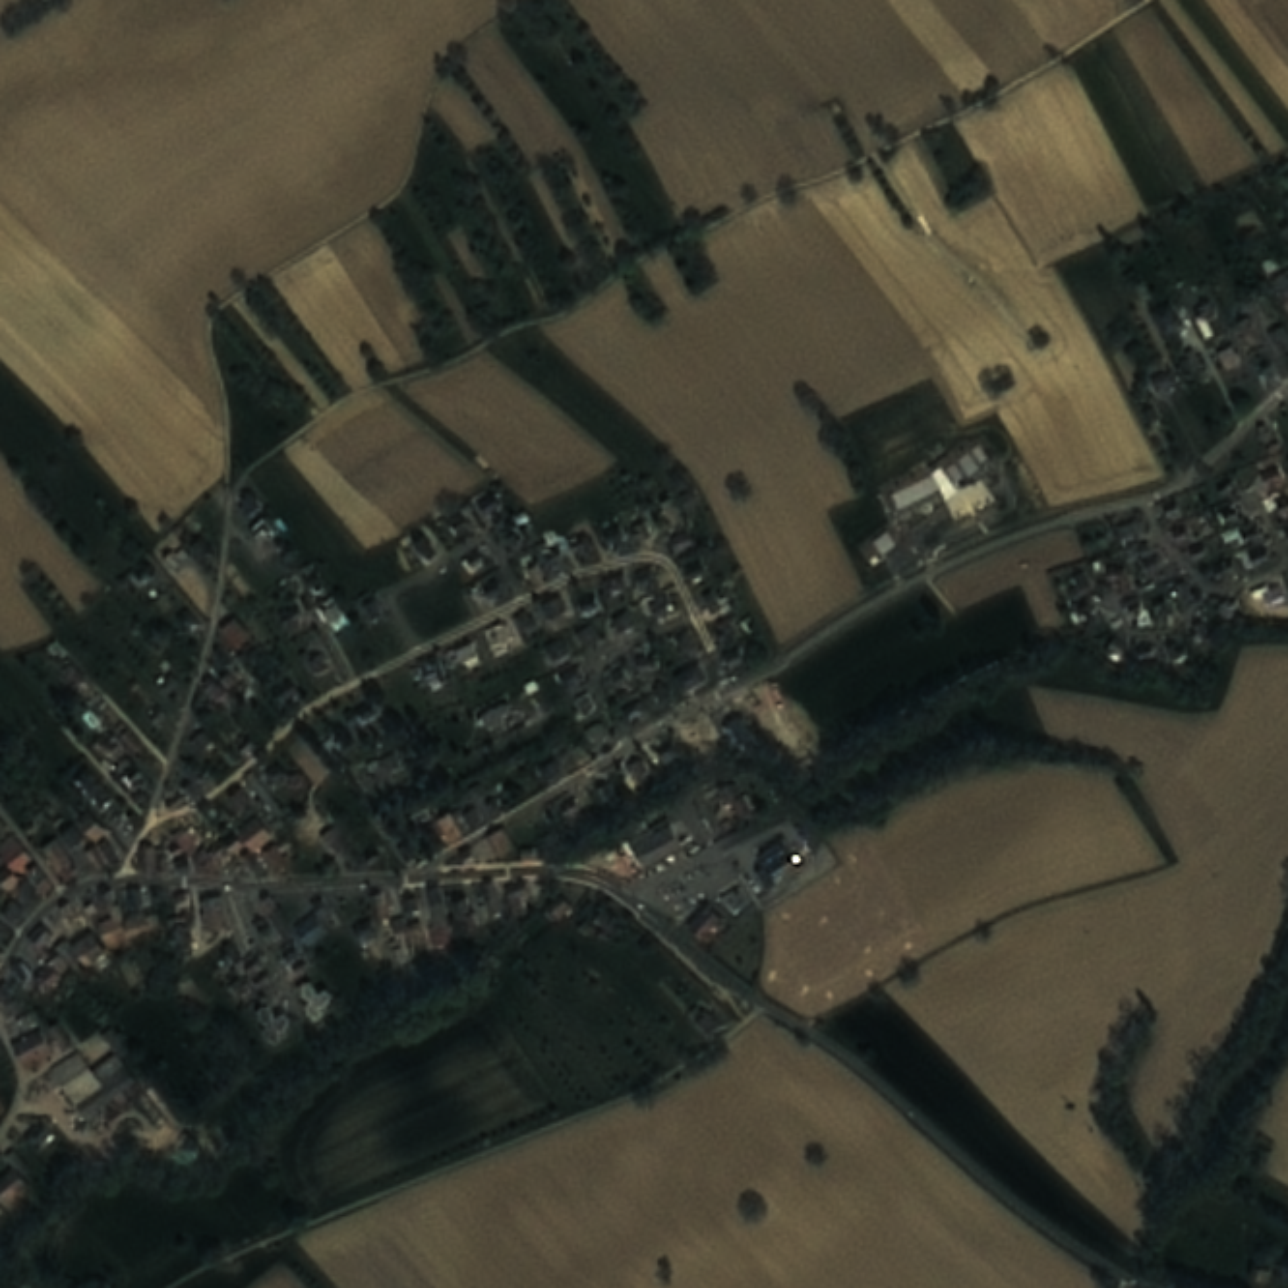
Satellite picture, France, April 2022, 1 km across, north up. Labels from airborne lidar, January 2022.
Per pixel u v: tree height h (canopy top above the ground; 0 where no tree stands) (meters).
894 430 0
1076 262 0
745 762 22
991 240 0
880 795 30
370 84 0
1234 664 0
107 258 0
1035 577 0
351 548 0
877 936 0
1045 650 22
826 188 0
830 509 0
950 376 0
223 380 0
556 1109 7
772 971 0
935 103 0
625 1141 0
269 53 0
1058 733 0
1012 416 0
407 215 0
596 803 0
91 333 0
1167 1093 0
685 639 0
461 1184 0
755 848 0
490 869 0
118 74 0
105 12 0
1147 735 0
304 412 0
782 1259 0
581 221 17
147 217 0
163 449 0
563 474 0
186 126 0
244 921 0
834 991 0
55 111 0
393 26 0
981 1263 0
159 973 8
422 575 0
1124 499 0
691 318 0
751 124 0
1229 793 0
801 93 0
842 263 0
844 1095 0
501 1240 0
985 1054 0
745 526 0
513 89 0
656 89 0
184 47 0
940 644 0
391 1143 0
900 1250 0
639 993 0
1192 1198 35
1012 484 0
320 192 0
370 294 0
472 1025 0
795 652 0
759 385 0
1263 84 0
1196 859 0
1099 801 0
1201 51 0
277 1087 33
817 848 0
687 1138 0
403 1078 0
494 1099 0
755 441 0
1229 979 0
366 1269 0
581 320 0
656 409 0
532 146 0
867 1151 0
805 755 0
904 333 0
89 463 0
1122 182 0
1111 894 0
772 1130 0
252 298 11
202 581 0
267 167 0
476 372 0
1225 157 0
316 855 0
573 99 0
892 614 0
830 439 15
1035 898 0
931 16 0
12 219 0
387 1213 0
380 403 0
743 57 0
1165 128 0
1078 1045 0
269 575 0
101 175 0
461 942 0
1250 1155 27
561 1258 0
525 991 0
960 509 0
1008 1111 0
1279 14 0
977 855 0
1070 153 0
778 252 0
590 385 0
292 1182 0
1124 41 0
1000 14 0
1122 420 0
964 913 0
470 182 13
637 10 0
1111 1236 0
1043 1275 0
